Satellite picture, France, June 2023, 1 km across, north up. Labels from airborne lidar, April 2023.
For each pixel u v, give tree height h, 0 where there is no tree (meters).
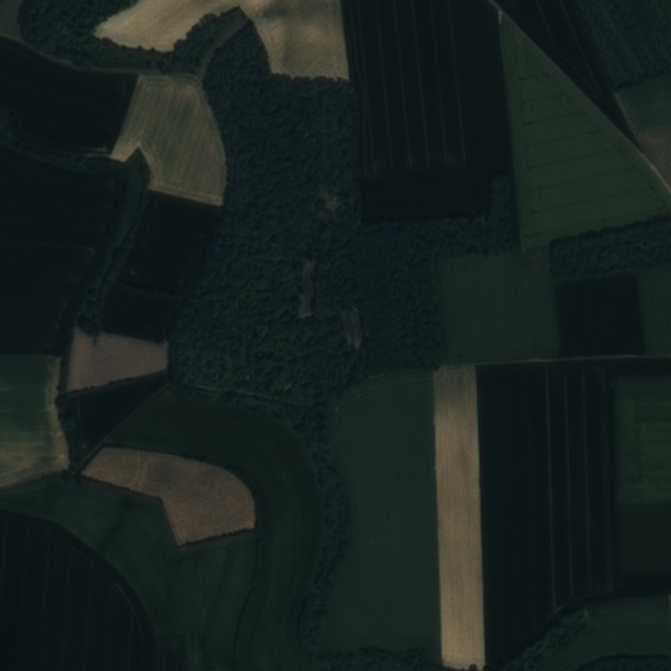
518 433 0
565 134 0
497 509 0
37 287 0
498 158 0
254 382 6
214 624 0
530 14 0
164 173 0
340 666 9
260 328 16
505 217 8
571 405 0
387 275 24
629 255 10
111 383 6
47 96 0
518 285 0
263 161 19
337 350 18
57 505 0
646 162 0
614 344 0
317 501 0
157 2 0
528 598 0
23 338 0
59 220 0
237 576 0
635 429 0
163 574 0
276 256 16
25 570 0
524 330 0
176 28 0
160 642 0
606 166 0
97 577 0
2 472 0
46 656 0
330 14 0
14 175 0
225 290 17
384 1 0
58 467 0
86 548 0
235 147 15
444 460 0
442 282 0
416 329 24
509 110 0
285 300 18
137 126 0
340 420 0
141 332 0
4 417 0
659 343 0
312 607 10
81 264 0
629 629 0
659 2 9
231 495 0
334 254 20
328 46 0
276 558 0
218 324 17
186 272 0
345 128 21
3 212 0
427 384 0
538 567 0
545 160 0
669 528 0
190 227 0
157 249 0
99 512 0
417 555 0
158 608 0
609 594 0
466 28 0
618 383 0
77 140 0
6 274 0
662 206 0
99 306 8
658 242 9
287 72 0
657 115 0
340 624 0
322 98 22
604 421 0
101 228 0
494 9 0
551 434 0
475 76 0
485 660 0
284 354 17
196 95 0
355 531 0
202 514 0
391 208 0
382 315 24
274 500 0
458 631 0
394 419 0
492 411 0
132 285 12
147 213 0
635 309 0
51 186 0
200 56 7
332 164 23
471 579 0
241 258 13
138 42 0
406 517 0
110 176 0
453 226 11
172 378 18
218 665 0
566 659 0
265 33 0
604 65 10
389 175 0
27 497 0
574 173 0
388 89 0
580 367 0
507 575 0
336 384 17
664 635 0
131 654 0
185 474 0
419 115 0
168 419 0
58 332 0
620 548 0
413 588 0
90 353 0
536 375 0
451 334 0
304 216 23
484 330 0
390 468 0
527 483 0
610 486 0
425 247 20
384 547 0
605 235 13
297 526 0
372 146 0
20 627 0
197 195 0
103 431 0
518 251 0
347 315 0
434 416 0
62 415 12
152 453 0
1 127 0
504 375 0
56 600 0
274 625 0
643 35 15
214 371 8
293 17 0
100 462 0
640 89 0
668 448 0
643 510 0
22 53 0
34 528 0
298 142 26
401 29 0
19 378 0
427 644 0
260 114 21
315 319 17
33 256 0
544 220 0
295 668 0
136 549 0
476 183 0
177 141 0
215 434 0
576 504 0
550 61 0
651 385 0
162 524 0
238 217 25
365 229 26
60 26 16
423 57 0
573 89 0
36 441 0
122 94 0
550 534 0
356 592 0
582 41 0
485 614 0
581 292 0
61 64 0
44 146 0
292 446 0
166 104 0
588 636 0
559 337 0
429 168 0
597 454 0
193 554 0
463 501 0
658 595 0
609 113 0
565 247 14
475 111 0
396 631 0
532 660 13
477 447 0
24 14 23
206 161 0
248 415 0
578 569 0
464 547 0
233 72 14
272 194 23
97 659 0
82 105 0
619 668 11
